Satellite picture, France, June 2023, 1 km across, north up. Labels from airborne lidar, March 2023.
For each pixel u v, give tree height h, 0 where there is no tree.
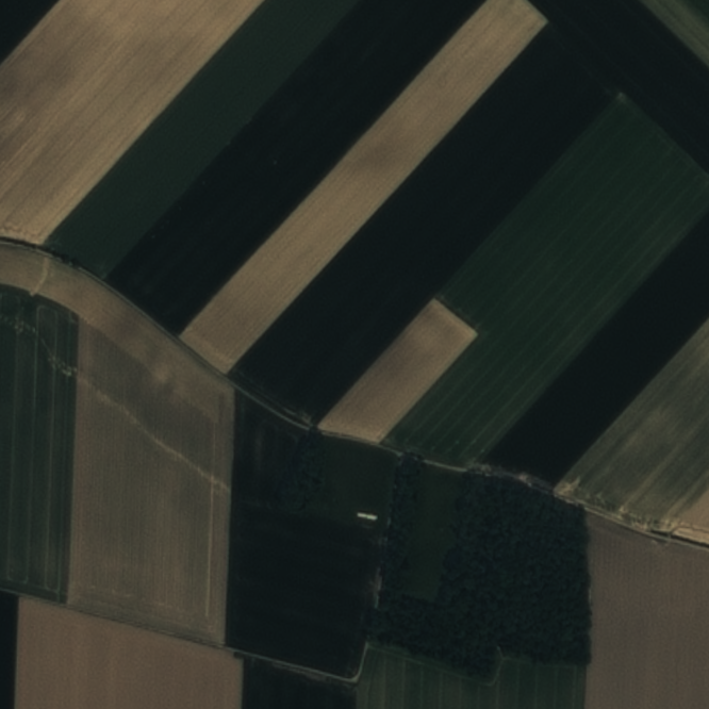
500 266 0
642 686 0
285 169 0
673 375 0
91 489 0
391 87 0
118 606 0
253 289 0
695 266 0
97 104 0
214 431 0
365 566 0
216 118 0
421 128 0
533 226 0
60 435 0
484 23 0
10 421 0
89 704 0
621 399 0
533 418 0
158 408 0
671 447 0
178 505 0
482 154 0
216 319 0
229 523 0
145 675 0
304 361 0
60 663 0
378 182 0
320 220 0
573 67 0
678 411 0
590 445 0
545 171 0
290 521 0
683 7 0
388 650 0
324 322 0
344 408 0
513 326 0
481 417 0
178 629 0
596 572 0
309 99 0
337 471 0
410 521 27
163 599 0
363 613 0
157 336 0
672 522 0
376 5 0
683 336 0
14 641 0
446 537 0
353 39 0
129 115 0
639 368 0
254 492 0
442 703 0
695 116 0
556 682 0
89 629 0
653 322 0
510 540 25
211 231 0
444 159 0
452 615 27
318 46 0
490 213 0
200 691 0
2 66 0
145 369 0
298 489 23
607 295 0
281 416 0
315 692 0
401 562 27
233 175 0
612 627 0
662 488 0
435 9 0
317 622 0
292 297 0
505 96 0
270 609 0
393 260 0
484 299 0
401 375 0
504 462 0
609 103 0
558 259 0
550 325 0
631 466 0
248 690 0
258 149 0
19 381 0
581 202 0
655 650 0
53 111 0
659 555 0
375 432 0
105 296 0
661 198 0
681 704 0
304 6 0
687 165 0
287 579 0
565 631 26
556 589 27
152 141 0
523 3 0
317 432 16
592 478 0
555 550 26
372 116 0
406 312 0
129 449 0
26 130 0
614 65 0
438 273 0
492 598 31
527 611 28
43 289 0
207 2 0
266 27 0
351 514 0
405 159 0
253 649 0
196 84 0
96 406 0
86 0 0
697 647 0
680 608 0
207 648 0
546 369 0
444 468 0
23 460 0
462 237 0
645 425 0
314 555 0
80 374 0
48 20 0
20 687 0
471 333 0
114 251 0
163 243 0
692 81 0
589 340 0
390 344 0
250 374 0
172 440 0
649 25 0
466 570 28
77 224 0
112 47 0
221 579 0
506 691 0
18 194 0
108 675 0
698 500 0
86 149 0
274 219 0
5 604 0
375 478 0
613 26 0
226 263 0
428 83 0
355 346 0
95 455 0
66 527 0
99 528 0
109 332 0
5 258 0
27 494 0
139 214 0
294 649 0
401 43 0
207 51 0
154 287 0
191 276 0
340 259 0
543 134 0
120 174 0
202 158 0
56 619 0
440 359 0
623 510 0
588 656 17
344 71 0
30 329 0
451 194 0
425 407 0
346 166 0
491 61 0
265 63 0
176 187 0
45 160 0
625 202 0
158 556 0
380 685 0
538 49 0
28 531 0
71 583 0
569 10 0
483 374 0
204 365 0
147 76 0
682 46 0
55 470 0
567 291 0
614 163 0
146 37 0
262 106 0
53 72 0
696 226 0
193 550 0
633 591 0
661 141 0
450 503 0
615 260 0
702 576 0
